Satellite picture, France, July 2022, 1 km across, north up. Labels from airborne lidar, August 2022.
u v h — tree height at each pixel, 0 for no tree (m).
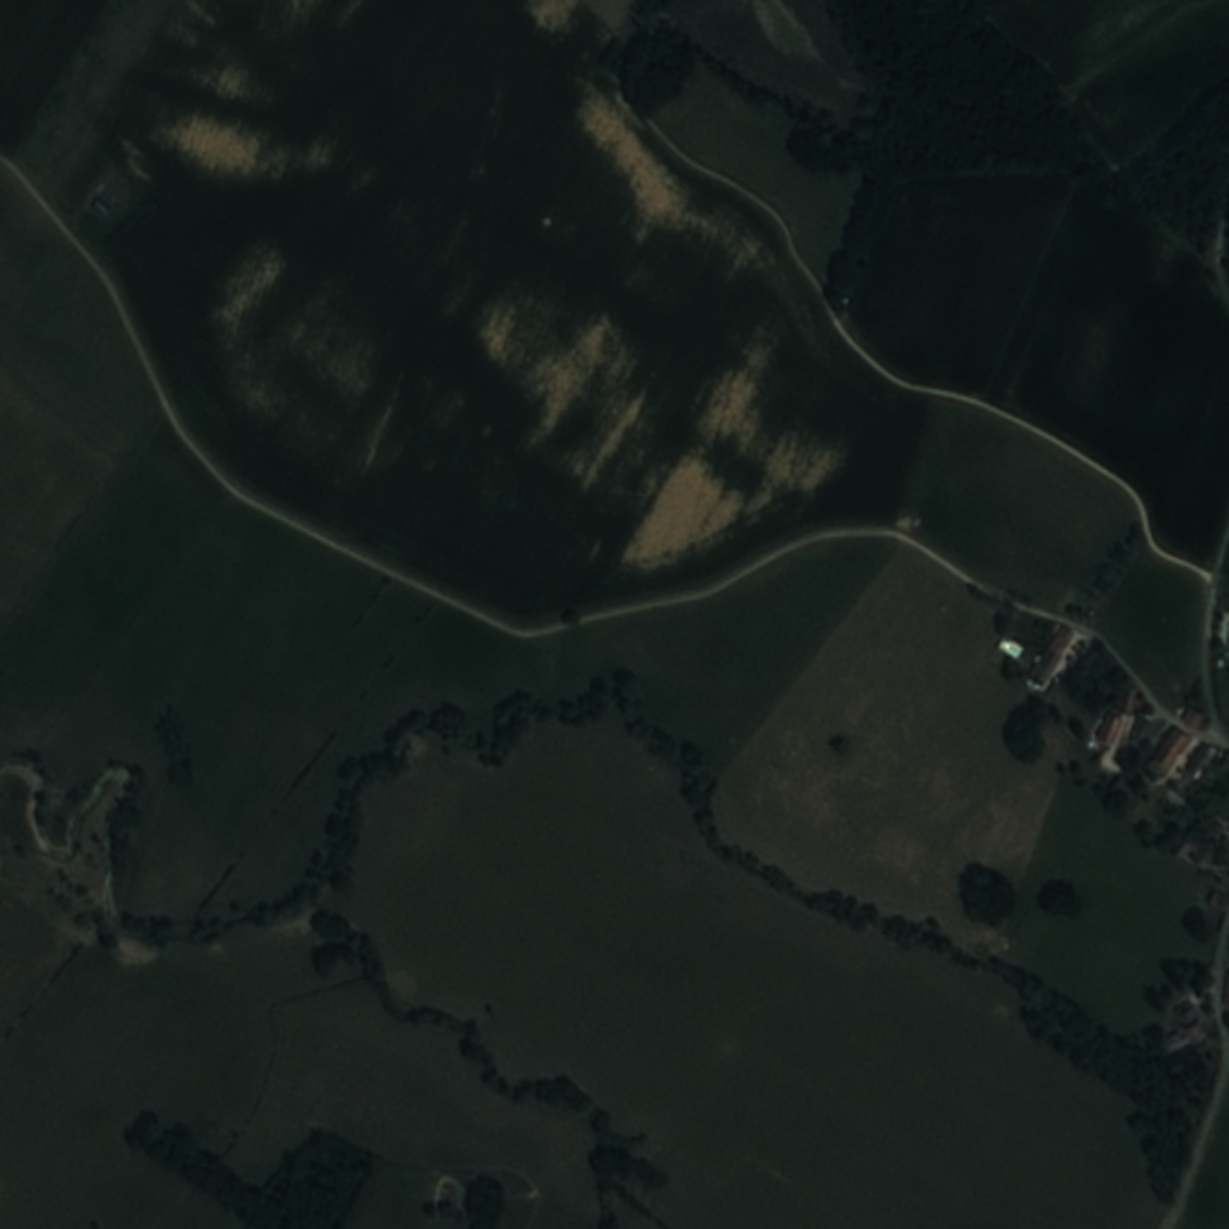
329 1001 0
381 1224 0
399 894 0
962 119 23
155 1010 0
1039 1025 12
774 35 0
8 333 0
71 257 0
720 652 0
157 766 0
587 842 0
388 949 0
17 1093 0
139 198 0
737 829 0
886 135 17
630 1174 12
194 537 0
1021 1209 0
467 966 0
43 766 17
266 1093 0
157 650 0
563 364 0
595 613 0
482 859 0
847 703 0
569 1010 0
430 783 0
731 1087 0
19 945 0
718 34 0
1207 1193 0
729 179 0
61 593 0
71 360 0
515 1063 0
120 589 0
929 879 0
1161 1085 28
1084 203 0
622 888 0
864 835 0
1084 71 0
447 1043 0
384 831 0
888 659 0
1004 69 16
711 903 0
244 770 0
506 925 0
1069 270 0
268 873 0
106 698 0
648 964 0
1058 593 0
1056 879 0
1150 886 0
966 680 0
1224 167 22
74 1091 0
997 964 11
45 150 0
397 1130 0
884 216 19
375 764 18
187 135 0
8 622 0
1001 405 0
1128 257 0
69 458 0
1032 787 0
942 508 0
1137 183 22
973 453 0
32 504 0
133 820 14
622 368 0
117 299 0
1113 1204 0
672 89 18
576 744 0
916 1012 0
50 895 7
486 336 0
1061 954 0
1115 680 17
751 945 0
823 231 0
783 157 0
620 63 7
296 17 0
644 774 0
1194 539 0
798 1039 0
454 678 0
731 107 0
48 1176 0
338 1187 17
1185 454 0
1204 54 0
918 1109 0
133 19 0
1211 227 16
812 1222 0
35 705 0
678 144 0
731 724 0
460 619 0
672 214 0
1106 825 0
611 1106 0
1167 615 0
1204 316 0
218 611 0
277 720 0
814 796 0
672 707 0
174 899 0
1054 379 0
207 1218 0
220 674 0
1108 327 0
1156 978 0
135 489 0
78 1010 0
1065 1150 0
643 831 0
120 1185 0
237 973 0
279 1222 8
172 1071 0
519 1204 0
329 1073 0
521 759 0
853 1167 0
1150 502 0
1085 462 0
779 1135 0
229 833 0
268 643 0
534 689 0
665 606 0
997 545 0
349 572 0
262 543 0
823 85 0
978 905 20
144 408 0
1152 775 6
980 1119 0
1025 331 0
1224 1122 0
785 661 0
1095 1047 16
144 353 0
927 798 0
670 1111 0
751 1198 0
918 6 18
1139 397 0
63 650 0
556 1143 0
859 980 0
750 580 0
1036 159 10
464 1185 0
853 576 0
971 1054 0
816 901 11
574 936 0
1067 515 0
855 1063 0
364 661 0
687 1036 0
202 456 0
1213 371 0
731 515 0
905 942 19
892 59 14
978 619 0
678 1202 0
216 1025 0
